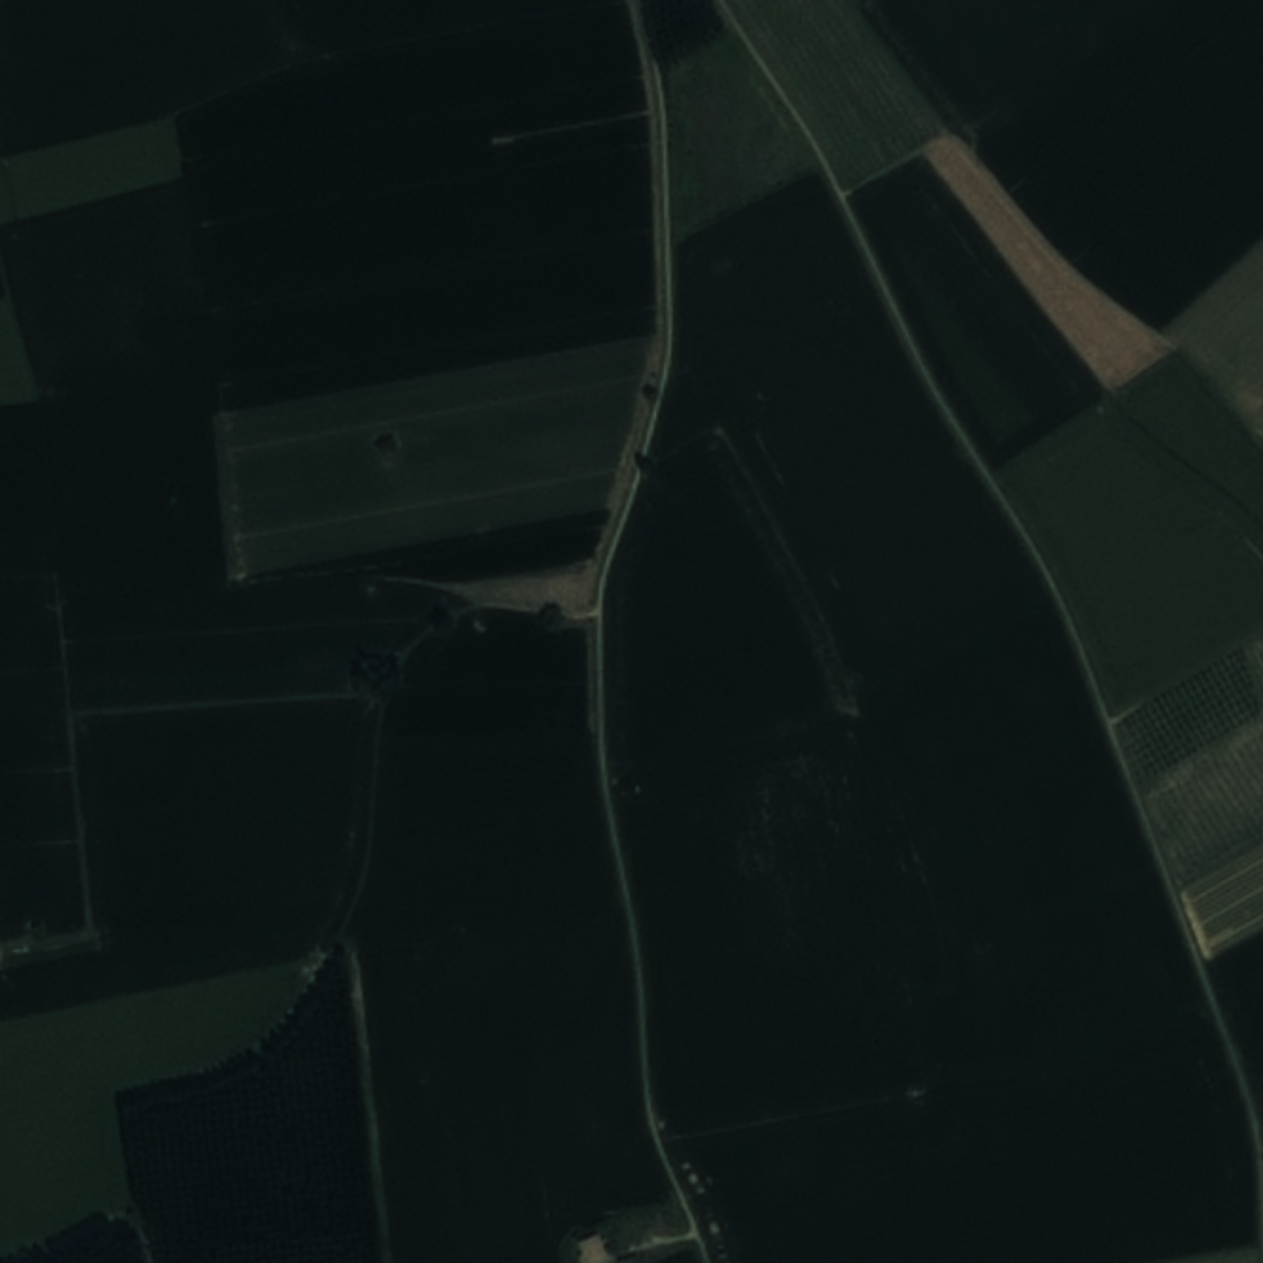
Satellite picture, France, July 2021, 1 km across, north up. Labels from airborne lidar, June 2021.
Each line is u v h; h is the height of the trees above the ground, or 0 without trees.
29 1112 0
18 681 0
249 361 0
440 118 0
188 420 0
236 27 0
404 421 0
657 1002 0
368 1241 24
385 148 0
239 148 0
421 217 0
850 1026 0
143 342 0
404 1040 0
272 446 0
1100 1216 0
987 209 0
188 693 0
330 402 0
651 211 0
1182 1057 0
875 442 0
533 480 0
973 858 0
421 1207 0
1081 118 0
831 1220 0
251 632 0
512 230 0
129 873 0
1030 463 0
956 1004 0
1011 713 0
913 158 0
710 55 0
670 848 0
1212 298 0
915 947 0
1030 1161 0
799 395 0
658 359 0
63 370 0
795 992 0
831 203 0
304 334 0
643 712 0
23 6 0
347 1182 26
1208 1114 0
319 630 0
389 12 0
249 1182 25
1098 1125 0
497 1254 0
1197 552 0
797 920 0
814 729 0
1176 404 0
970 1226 0
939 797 0
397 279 0
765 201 0
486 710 0
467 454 0
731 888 0
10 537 0
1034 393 0
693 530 0
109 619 0
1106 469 0
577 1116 0
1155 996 0
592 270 0
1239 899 0
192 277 0
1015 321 0
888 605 0
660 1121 0
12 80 0
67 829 0
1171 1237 0
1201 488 0
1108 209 0
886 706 0
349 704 0
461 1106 0
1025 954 0
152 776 0
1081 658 0
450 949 0
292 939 0
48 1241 0
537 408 0
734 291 0
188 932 0
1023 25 0
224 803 0
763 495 0
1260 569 0
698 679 0
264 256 0
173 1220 25
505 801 0
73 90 0
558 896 0
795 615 0
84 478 0
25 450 0
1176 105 0
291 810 0
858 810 0
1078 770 0
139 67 0
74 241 0
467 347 0
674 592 0
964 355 0
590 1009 0
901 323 0
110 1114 0
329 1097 26
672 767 0
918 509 0
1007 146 0
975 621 0
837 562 0
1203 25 0
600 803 0
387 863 0
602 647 0
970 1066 0
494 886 0
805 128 0
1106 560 0
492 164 0
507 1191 0
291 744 0
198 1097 25
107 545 0
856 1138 0
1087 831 0
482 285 0
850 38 0
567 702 0
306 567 0
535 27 0
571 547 0
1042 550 0
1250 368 0
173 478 0
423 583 0
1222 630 0
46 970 0
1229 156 0
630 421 0
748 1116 0
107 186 0
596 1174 0
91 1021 0
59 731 0
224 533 0
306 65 0
